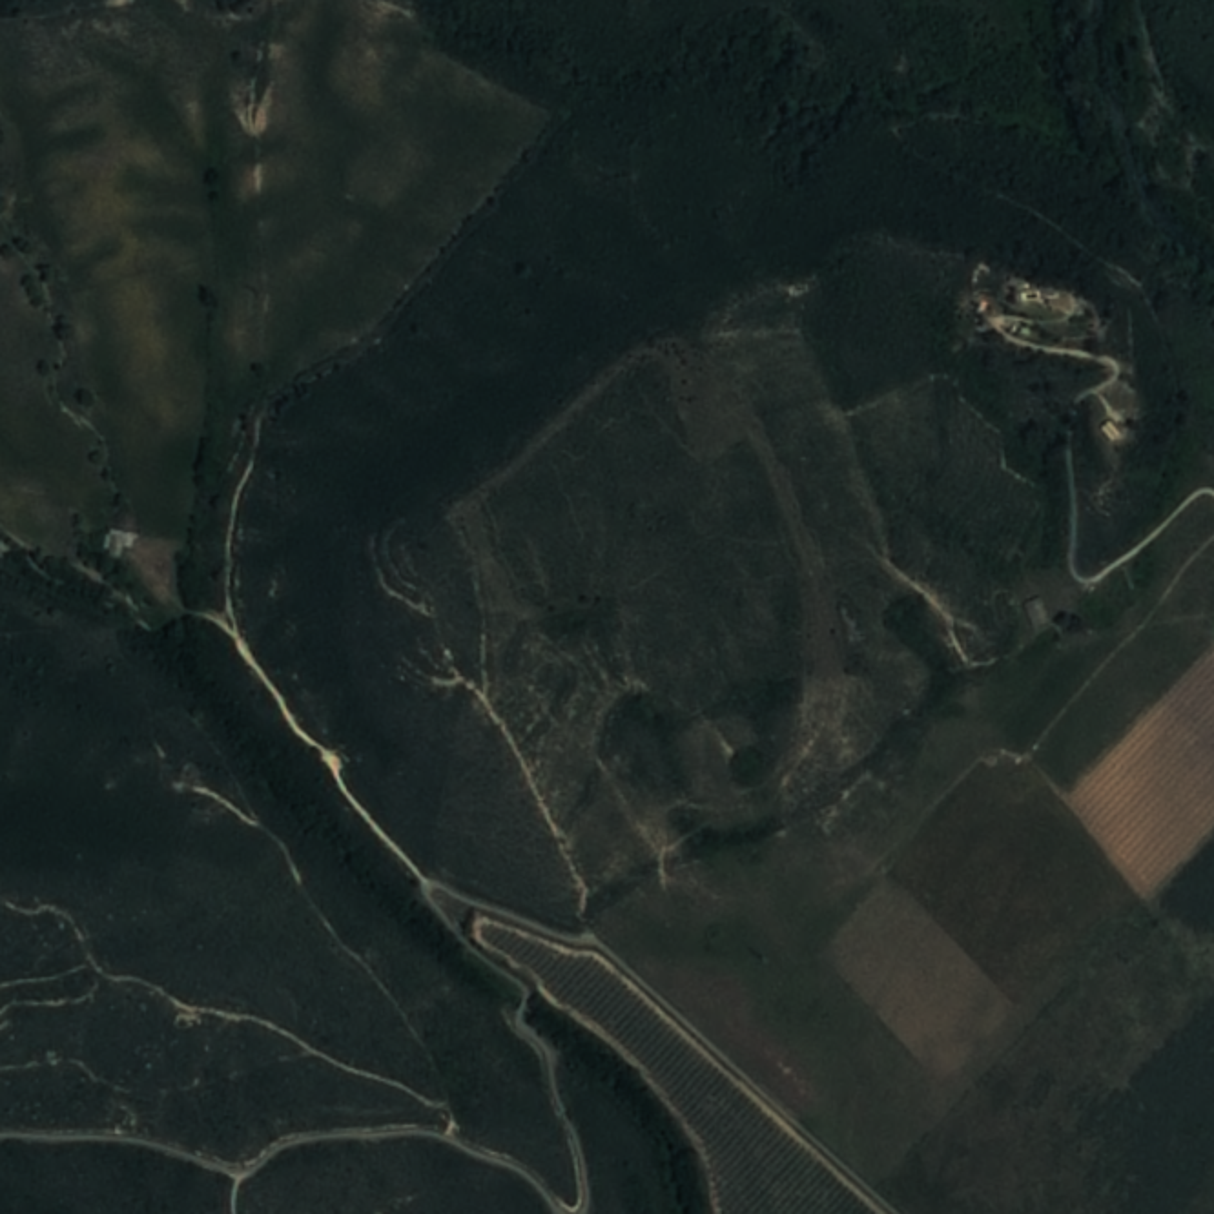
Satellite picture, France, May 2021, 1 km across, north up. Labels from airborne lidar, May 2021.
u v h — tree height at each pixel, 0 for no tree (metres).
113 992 0
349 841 10
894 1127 0
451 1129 0
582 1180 0
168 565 0
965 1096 0
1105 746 0
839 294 6
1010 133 9
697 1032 0
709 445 0
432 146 0
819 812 0
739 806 0
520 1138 0
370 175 0
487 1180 0
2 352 0
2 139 8
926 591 0
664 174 5
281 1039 0
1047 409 12
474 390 6
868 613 0
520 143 0
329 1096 0
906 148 6
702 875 0
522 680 0
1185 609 0
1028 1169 0
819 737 0
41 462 0
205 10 0
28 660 12
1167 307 22
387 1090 0
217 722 9
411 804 0
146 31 0
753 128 12
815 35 6
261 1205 0
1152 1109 0
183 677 15
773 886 0
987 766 0
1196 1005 0
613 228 6
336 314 0
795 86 11
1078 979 0
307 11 0
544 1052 0
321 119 0
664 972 0
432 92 0
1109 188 14
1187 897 0
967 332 0
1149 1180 0
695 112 6
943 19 6
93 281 0
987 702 0
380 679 0
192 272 0
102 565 14
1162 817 0
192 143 0
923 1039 0
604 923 0
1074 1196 0
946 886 0
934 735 0
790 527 0
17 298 0
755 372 0
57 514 0
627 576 0
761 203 6
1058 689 0
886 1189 0
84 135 0
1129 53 21
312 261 0
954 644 0
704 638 0
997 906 0
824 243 7
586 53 7
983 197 6
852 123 9
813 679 0
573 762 0
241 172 0
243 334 0
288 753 8
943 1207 0
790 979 0
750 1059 0
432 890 0
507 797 0
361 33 0
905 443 0
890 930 0
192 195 0
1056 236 7
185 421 0
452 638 0
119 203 0
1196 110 5
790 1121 0
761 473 0
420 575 0
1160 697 0
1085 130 30
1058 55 6
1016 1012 0
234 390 0
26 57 0
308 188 0
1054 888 0
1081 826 0
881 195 7
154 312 0
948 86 13
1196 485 0
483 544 0
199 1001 0
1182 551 0
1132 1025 0
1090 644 0
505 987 0
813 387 0
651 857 0
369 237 0
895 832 0
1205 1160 0
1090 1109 0
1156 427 6
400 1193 0
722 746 0
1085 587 0
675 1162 12
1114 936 0
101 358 0
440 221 0
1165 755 0
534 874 0
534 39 17
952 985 0
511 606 0
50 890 0
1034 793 0
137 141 0
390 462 5
